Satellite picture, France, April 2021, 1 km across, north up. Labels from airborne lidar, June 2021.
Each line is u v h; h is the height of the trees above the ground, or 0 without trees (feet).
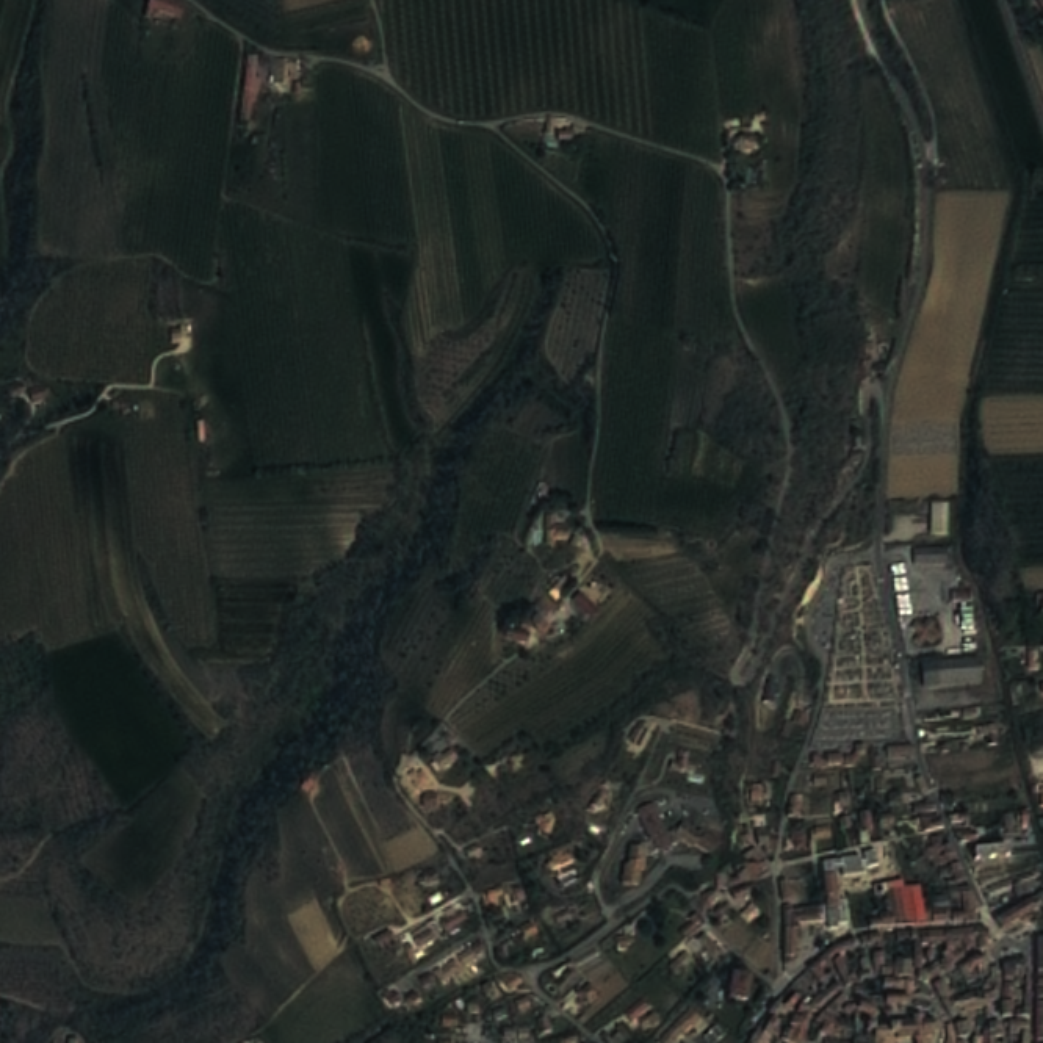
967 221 0
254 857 35
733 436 31
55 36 0
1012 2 50
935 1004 0
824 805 0
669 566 0
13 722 38
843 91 28
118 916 37
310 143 0
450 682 0
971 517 62
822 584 0
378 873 0
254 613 0
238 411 0
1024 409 0
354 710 43
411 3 21
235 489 0
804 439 37
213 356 0
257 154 0
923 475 0
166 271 35
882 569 0
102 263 0
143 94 0
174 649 0
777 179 0
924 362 0
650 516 0
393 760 0
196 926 48
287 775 21
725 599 0
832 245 31
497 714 0
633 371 0
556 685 0
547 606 0
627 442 0
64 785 24
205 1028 26
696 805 0
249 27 21
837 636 0
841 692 0
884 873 0
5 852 21
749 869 0
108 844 0
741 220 27
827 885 0
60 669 0
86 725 0
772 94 0
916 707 0
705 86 0
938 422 0
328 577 43
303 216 0
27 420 45
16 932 0
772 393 24
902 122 21
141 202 0
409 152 0
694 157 0
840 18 41
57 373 0
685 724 0
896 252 0
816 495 26
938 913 0
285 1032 0
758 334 0
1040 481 24
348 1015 0
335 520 0
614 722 28
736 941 0
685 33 0
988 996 0
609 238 32
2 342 49
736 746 32
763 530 31
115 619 0
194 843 27
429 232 0
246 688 30
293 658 39
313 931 0
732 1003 49
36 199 35
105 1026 50
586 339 0
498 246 0
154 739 0
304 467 25
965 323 0
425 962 35
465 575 39
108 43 0
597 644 0
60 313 0
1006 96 0
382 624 31
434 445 22
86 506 0
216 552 0
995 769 0
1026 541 24
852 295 38
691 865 0
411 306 0
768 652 25
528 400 33
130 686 0
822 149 27
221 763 33
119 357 0
